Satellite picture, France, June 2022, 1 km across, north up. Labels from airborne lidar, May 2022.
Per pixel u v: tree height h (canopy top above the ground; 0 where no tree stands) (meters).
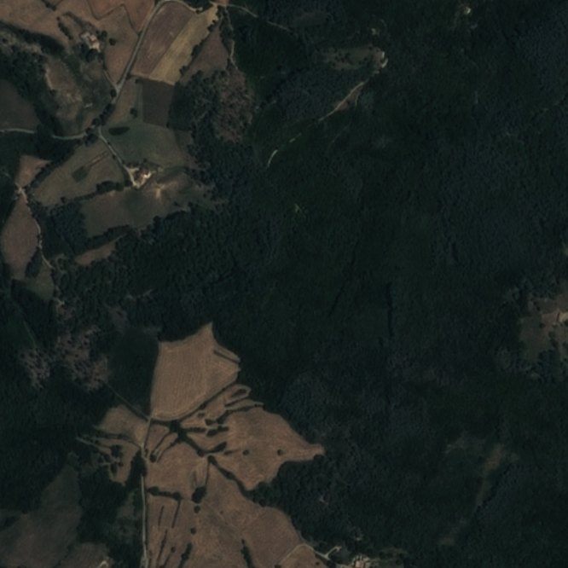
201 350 0
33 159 0
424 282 17
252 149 20
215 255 11
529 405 17
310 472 15
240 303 16
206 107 13
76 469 7
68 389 24
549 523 18
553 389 18
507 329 14
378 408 17
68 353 13
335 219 16
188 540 0
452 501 9
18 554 0
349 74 10
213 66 0
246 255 17
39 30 0
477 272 20
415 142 8
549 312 0
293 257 10
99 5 0
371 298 8
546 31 19
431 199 18
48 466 17
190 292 18
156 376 0
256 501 10
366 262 12
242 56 6
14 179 12
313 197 14
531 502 17
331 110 19
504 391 18
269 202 13
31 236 0
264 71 5
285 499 10
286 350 13
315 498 18
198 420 0
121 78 0
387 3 10
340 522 17
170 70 0
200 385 0
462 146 17
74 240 20
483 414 14
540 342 0
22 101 0
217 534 0
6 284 13
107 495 8
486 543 14
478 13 8
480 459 9
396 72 9
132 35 0
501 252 23
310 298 15
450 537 0
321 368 11
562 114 16
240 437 0
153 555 0
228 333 14
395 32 9
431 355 19
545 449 15
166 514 0
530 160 14
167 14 0
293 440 0
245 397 0
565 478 17
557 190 15
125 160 6
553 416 16
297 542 0
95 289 13
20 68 17
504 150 12
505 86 26
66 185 0
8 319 12
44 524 0
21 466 16
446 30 14
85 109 0
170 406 0
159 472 0
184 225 34
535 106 14
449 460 0
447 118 15
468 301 21
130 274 11
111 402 12
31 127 0
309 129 9
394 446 13
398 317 25
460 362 15
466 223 23
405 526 20
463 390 14
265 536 0
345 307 15
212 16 0
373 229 10
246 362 16
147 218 0
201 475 0
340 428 19
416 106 10
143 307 17
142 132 0
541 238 21
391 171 7
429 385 12
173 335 14
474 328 19
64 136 12
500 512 20
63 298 15
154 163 0
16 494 16
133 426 0
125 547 9
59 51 16
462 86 15
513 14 24
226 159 9
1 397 20
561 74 15
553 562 14
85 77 0
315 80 25
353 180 19
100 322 22
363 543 10
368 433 12
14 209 8
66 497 0
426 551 17
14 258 0
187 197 0
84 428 13
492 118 25
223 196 13
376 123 6
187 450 0
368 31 10
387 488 16
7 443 19
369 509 14
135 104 0
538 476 15
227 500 0
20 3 0
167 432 0
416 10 10
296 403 23
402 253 11
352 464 14
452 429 12
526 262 19
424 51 7
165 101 0
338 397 13
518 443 9
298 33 23
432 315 20
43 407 18
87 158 0
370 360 13
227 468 0
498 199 22
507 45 18
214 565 0
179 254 13
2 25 22
